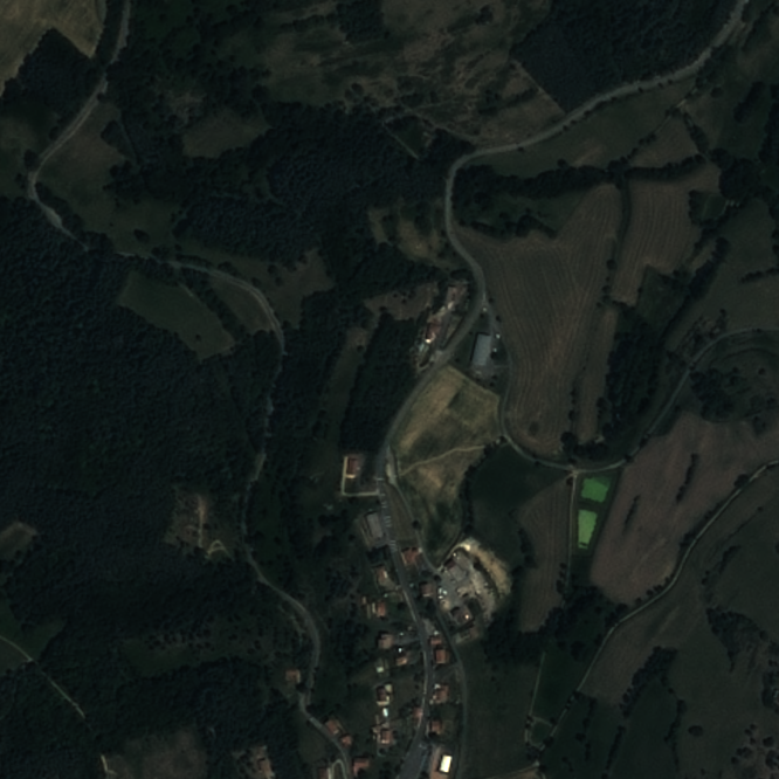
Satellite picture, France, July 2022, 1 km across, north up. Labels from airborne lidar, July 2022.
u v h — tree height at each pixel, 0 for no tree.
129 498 22
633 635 0
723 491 0
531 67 14
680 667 0
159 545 21
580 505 0
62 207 20
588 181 18
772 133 26
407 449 0
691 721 0
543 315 0
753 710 0
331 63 0
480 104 0
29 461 21
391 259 12
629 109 0
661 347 15
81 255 11
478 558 0
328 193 16
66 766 15
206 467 16
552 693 0
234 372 14
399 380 12
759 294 0
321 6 0
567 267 0
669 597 0
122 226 0
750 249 0
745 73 0
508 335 0
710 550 0
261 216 19
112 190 10
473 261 0
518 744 0
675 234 0
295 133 24
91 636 19
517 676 0
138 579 18
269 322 0
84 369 23
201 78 11
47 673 15
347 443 20
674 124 0
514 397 0
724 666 0
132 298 0
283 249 13
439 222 0
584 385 0
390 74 0
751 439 0
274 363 14
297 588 10
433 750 0
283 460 17
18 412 15
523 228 17
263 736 16
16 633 0
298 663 13
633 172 15
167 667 0
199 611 19
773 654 0
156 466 16
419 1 0
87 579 12
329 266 12
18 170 0
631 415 30
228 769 11
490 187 25
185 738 0
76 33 0
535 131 0
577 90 15
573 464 13
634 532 0
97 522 21
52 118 0
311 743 0
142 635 14
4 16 0
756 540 0
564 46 13
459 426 0
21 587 15
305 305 10
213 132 0
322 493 0
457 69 0
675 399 0
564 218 0
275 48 0
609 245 0
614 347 0
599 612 10
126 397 26
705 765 0
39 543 11
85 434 12
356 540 9
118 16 12
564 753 0
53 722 11
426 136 0
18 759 14
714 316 0
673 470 0
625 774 0
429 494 0
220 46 10
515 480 0
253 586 34
